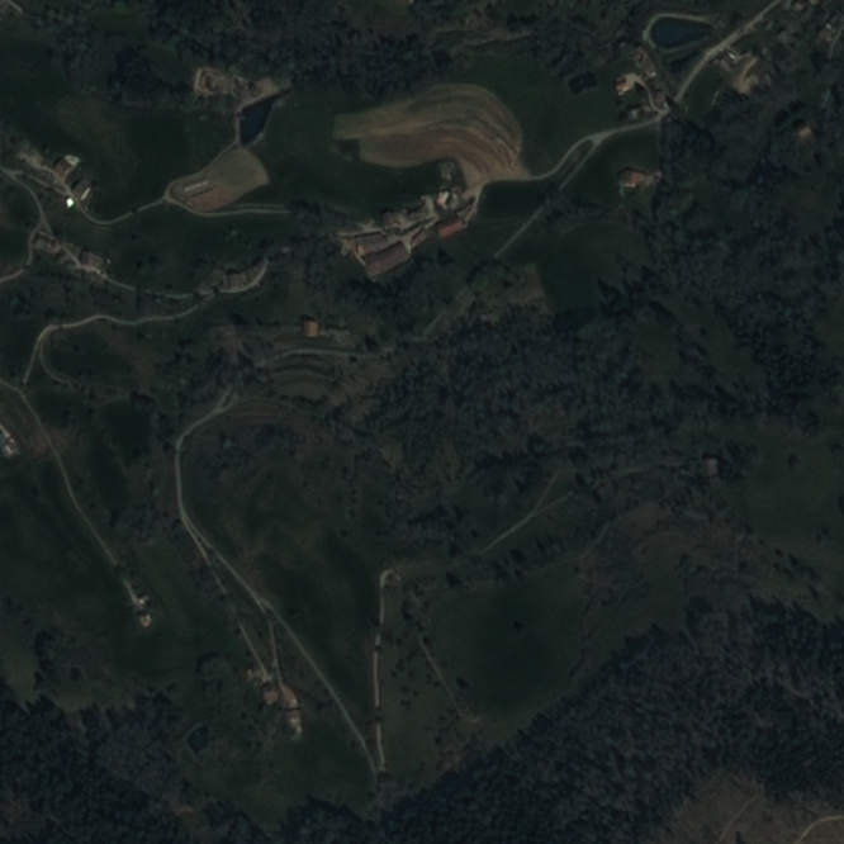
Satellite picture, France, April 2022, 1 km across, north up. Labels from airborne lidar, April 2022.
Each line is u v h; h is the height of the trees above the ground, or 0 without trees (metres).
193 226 0
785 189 26
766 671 32
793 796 28
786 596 0
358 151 0
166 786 30
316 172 0
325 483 0
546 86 0
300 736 0
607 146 0
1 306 0
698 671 23
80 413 0
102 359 0
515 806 24
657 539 0
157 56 0
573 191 0
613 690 23
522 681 0
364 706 0
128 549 9
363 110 0
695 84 0
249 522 0
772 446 0
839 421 0
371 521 0
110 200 0
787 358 22
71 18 18
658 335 0
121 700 0
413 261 0
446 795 13
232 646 0
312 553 0
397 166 0
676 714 23
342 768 0
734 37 0
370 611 0
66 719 10
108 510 0
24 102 0
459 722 7
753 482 0
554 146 0
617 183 0
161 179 0
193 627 0
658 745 31
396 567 0
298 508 0
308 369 0
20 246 0
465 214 0
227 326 0
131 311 0
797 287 24
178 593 0
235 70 17
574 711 20
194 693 0
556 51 18
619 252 0
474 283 12
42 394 0
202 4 32
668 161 9
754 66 0
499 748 0
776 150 12
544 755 26
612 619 0
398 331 0
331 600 0
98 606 0
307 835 37
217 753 0
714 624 29
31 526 0
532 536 0
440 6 19
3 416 0
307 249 22
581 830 23
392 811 11
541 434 0
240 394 11
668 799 21
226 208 0
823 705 16
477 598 0
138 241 12
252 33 30
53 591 0
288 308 0
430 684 7
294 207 0
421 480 11
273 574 0
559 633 0
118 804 19
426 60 23
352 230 16
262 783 0
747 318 28
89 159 0
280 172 0
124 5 21
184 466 0
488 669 0
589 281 0
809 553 0
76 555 0
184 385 0
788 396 18
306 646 0
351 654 0
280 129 0
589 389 20
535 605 0
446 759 9
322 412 10
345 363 0
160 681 0
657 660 27
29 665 0
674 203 20
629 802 26
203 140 0
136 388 0
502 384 21
